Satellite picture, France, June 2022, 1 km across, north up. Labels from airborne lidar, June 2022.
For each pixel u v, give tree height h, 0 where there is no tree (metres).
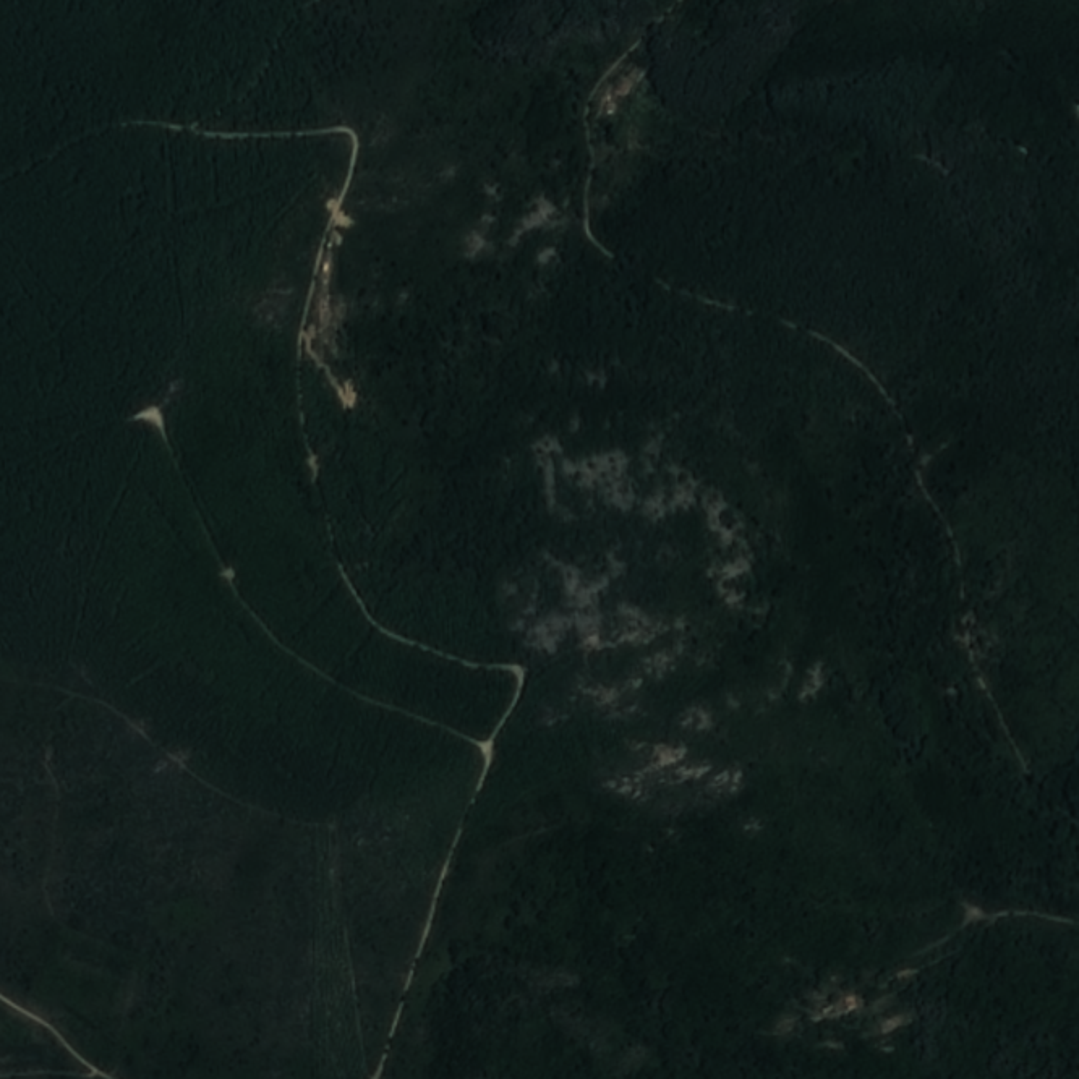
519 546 6
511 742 5
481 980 20
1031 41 19
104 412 8
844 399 6
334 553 7
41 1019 0
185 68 10
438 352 9
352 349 9
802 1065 8
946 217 9
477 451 10
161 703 6
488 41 15
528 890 6
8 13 10
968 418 8
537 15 21
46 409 9
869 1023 8
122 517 7
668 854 6
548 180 11
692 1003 8
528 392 8
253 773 8
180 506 10
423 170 6
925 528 8
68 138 11
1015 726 6
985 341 7
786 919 6
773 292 8
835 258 9
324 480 9
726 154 8
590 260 9
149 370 8
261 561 10
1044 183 22
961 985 8
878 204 10
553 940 8
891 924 7
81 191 11
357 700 9
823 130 13
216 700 8
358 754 6
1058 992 12
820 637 6
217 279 6
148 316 9
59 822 0
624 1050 6
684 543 6
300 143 7
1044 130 21
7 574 8
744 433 6
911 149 18
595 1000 6
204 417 8
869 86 35
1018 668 8
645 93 6
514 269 8
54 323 10
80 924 7
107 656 7
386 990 0
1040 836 8
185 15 11
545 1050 7
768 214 7
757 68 21
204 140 7
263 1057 0
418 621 8
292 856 0
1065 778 15
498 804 7
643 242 9
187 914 0
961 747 6
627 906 8
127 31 11
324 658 8
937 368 6
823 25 18
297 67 10
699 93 24
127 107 11
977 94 17
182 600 9
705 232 10
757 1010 7
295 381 8
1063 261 19
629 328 7
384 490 9
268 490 8
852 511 6
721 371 7
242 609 9
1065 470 8
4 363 9
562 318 7
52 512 7
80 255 10
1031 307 11
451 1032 7
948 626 15
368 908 0
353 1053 6
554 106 13
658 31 22
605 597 7
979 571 7
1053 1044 6
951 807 6
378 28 9
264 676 8
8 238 10
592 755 7
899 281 9
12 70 10
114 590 7
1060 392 10
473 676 7
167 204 9
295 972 0
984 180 19
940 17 13
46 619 7
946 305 7
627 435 9
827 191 10
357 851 0
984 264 9
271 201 8
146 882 7
